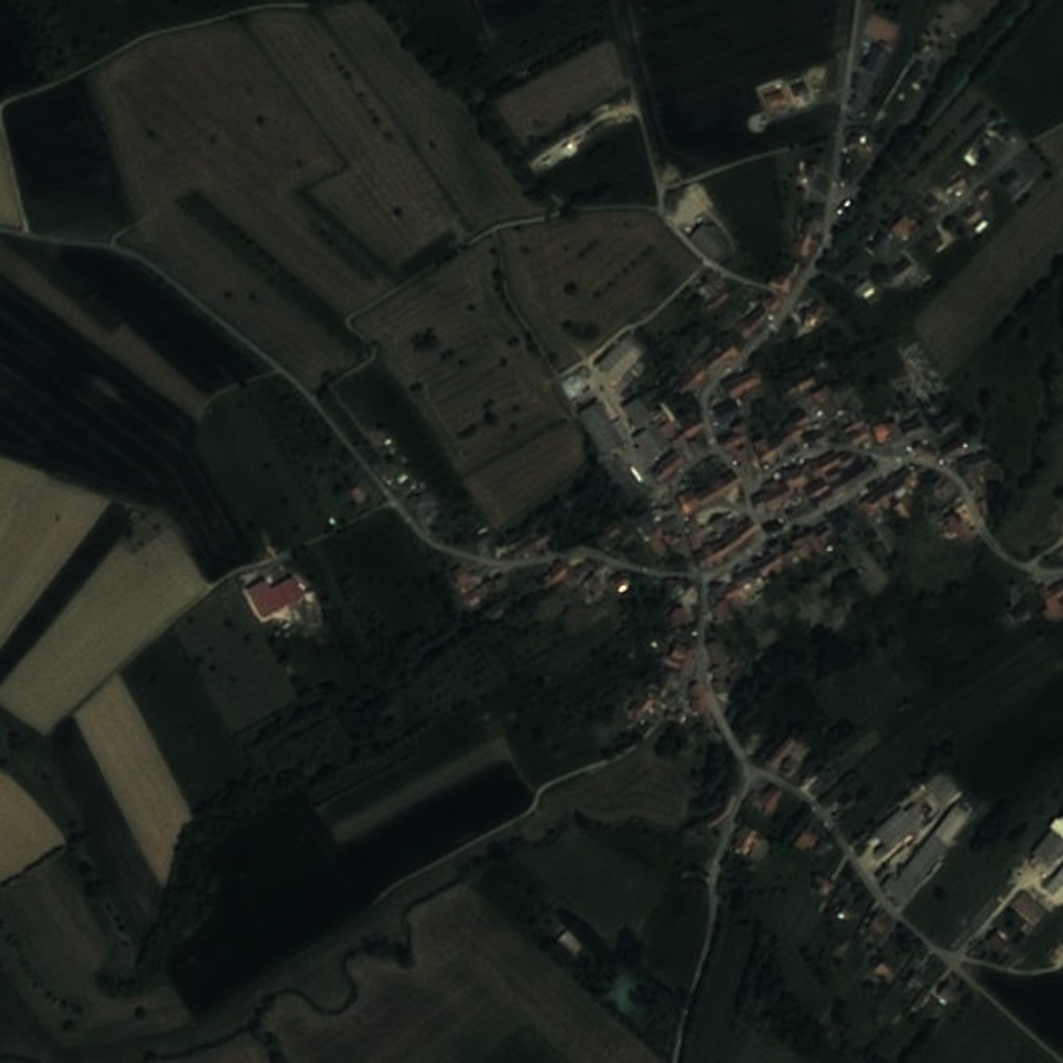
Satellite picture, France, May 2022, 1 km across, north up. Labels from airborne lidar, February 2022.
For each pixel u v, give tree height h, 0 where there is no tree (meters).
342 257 0
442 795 0
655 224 0
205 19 0
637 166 0
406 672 10
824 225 0
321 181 0
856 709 0
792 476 0
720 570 0
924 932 0
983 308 0
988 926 0
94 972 0
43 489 0
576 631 0
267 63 0
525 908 0
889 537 0
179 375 0
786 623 0
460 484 0
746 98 0
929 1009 0
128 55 0
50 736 0
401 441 0
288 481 0
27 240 0
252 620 0
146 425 0
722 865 6
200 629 0
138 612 0
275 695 0
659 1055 12
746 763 0
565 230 0
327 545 0
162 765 0
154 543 0
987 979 0
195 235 0
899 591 0
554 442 0
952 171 0
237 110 0
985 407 11
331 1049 0
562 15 0
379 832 0
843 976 0
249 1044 0
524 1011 0
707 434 0
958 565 0
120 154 0
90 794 0
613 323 0
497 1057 0
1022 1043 0
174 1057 0
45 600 0
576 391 0
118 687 0
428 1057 0
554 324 0
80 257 0
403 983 0
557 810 0
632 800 0
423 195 0
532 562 0
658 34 0
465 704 6
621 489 0
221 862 0
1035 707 0
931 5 0
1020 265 0
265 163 0
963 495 0
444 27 0
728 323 0
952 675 0
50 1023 0
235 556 0
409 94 0
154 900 0
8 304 0
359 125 0
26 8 6
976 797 0
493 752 0
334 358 0
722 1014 0
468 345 0
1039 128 0
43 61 0
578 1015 0
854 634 0
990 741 0
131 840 0
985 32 15
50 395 0
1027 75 0
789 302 0
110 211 0
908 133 14
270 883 0
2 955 0
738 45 0
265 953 0
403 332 0
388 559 0
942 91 13
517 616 8
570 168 0
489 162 0
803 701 0
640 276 0
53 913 0
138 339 0
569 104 0
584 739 0
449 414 0
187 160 0
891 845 0
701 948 0
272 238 0
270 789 10
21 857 0
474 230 0
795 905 0
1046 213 0
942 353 0
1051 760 0
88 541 0
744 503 0
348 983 0
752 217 0
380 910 0
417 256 0
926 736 0
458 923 0
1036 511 0
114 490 0
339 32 0
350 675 0
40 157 0
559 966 10
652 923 0
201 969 0
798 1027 19
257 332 0
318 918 0
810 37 0
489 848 0
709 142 0
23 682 0
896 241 0
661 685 0
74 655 0
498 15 0
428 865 0
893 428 0
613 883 0
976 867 0
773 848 6
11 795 0
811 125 0
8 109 0
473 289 0
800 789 0
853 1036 0
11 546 0
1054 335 0
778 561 0
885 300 0
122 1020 0
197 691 0
